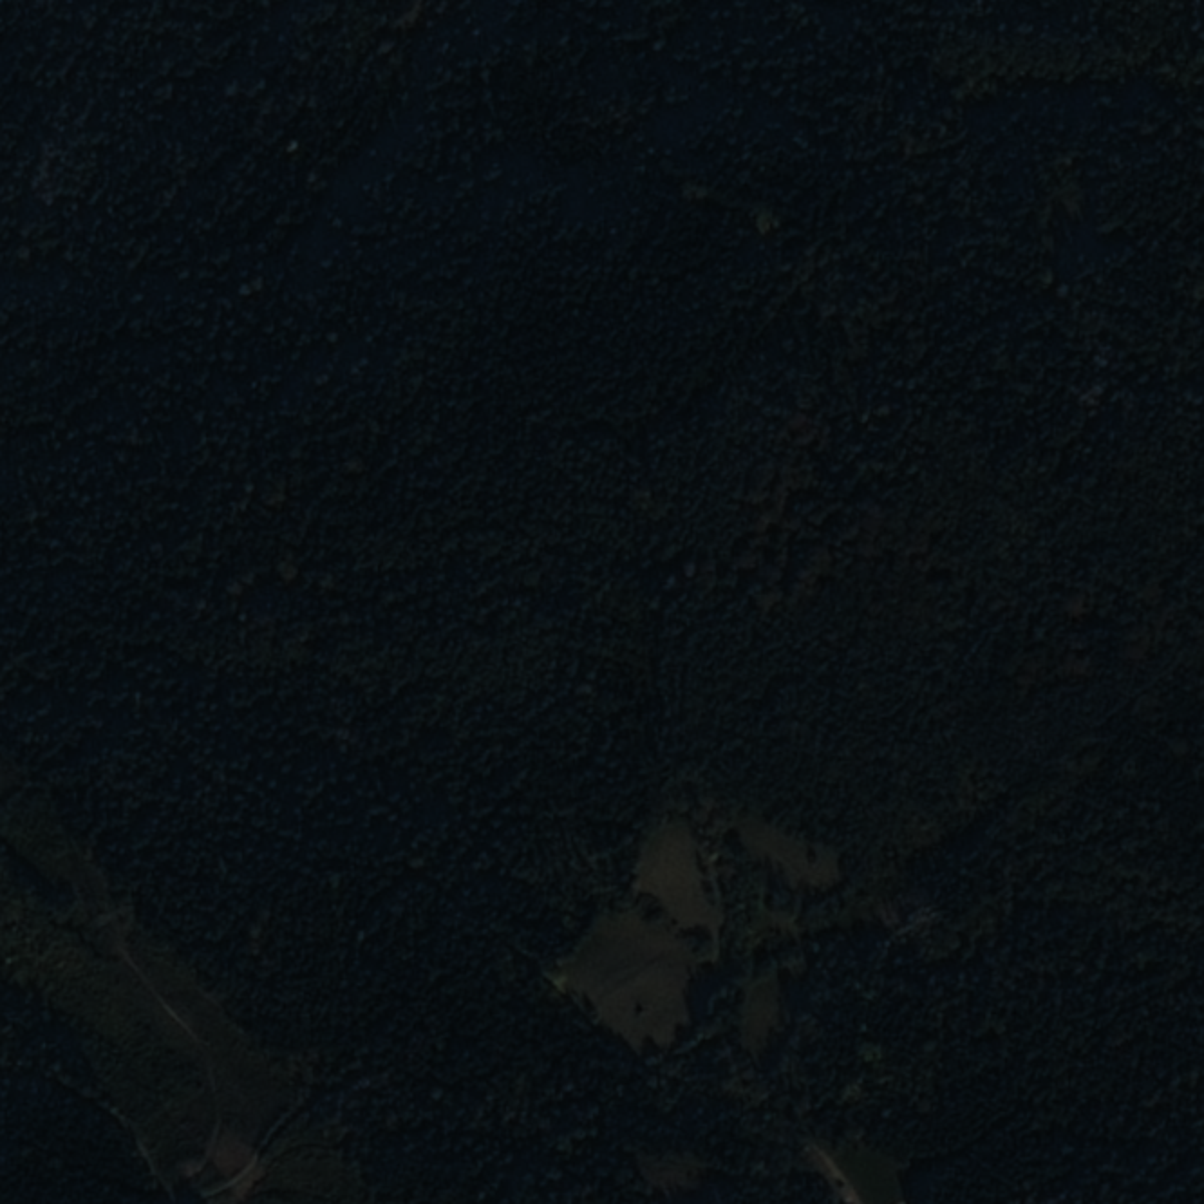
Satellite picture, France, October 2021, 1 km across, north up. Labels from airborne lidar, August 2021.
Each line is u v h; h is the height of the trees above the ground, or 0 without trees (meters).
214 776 25
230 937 21
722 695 19
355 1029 23
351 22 21
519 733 27
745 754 18
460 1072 22
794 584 24
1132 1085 18
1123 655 23
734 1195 25
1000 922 17
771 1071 18
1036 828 15
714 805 21
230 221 11
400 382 28
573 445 9
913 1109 16
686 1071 9
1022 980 15
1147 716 20
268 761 7
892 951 8
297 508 23
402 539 24
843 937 18
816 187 26
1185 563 15
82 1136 16
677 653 14
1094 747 22
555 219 5
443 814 7
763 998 0
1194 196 18
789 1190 28
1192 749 19
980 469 14
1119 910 19
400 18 21
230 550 13
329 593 25
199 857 27
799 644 18
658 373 21
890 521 22
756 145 24
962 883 18
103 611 32
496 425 29
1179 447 25
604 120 19
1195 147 25
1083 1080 19
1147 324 15
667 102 35
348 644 23
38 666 32
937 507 15
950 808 14
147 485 26
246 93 25
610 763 23
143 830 32
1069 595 20
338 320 9
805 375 20
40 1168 17
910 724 17
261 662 22
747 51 19
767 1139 17
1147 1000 13
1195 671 16
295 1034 26
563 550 18
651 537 27
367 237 6
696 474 16
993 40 22
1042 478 12
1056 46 23
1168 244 23
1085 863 18
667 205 20
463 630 22
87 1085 18
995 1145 25
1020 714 22
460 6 17
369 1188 21
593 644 22
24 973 11
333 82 16
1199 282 21
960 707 21
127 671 5
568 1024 10
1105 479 17
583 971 0
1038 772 21
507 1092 20
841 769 19
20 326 22
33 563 25
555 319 27
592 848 7
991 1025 13
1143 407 17
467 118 25
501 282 26
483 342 28
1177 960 21
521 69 22
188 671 8
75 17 21
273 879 32
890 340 12
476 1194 21
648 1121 18
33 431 6
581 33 20
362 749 24
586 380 19
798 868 0
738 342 8
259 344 14
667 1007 0
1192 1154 21
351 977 16
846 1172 0
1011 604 15
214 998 12
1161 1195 30
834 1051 25
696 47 14
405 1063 29
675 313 18
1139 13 5
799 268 19
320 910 27
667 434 19
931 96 31
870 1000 22
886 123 15
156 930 20
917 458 17
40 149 25
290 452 26
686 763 21
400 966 16
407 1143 19
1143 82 8
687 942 7
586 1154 21
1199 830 11
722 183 27
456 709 20
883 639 16
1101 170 32
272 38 12
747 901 17
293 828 22
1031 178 20
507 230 29
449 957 21
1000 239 28
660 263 21
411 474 34
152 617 31
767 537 14
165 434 6
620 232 9
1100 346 29
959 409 15
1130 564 17
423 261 19
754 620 20
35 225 24
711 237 19
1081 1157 29
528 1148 6
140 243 18
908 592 20
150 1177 12
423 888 17
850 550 21
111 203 21
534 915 25
